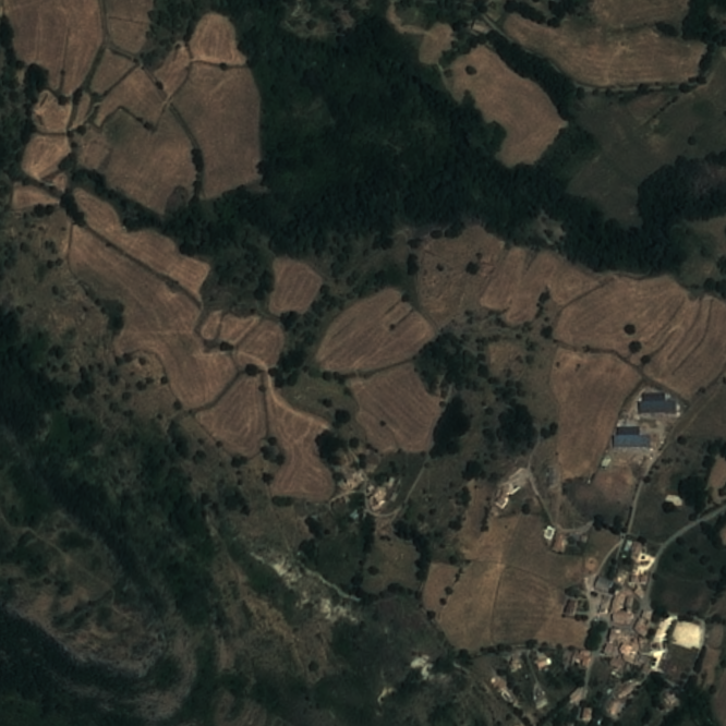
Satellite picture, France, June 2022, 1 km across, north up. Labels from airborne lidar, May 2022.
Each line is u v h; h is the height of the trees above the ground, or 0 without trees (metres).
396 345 0
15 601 0
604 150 0
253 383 0
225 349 10
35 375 22
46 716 6
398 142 7
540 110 0
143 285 0
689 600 0
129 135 0
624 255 10
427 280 0
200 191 7
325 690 0
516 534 0
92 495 16
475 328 0
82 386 13
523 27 0
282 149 12
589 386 0
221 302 0
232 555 0
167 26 7
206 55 0
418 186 6
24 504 0
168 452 10
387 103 18
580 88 9
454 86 0
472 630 0
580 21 0
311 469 0
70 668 7
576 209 20
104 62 0
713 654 0
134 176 0
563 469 0
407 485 0
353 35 16
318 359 0
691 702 9
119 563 7
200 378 0
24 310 9
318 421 0
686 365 0
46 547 0
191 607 8
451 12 13
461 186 12
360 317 0
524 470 0
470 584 0
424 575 15
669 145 0
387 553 0
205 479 0
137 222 14
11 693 12
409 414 0
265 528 0
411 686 11
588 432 0
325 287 11
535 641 8
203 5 11
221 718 0
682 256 16
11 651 11
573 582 0
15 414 14
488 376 8
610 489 0
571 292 0
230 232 19
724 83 0
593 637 15
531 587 0
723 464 0
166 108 0
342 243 10
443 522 0
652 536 0
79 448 8
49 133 0
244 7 11
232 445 0
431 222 6
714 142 0
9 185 10
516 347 0
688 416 0
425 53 0
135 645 0
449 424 18
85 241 0
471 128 8
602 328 0
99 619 0
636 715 0
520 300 0
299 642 0
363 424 0
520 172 18
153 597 12
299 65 10
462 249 0
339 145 11
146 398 0
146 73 0
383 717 0
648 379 0
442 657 13
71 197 15
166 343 0
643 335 0
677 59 0
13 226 0
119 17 0
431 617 13
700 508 15
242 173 0
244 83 0
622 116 0
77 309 0
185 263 0
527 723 10
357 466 8
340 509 0
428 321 0
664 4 0
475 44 11
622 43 0
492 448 12
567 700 8
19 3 0
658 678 13
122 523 13
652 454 0
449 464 0
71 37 0
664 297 0
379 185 27
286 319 11
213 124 0
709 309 0
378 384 0
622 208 0
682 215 15
